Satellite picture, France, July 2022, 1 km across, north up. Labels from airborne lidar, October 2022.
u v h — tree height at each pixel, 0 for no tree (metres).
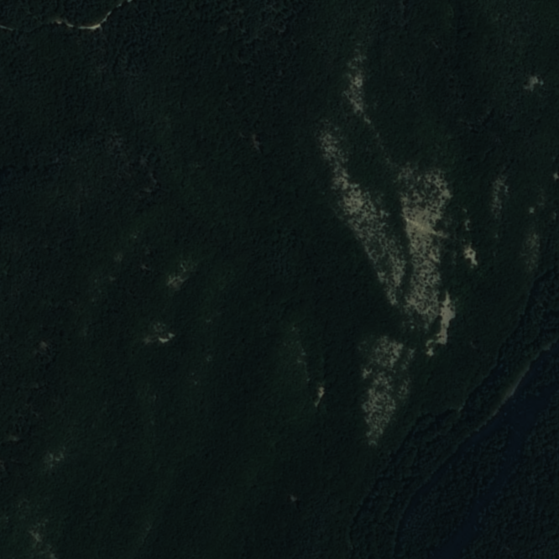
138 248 14
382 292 8
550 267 25
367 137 13
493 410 24
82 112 22
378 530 19
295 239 19
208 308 10
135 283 27
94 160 14
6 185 21
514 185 18
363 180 10
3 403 18
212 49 20
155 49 20
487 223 20
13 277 20
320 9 14
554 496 32
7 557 8
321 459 27
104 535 16
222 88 24
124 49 17
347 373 24
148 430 10
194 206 17
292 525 23
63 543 12
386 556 26
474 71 29
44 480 11
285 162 14
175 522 27
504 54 16
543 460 32
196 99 16
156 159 13
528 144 27
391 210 7
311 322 21
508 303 23
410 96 18
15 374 22
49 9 18
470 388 16
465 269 15
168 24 23
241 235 16
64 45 16
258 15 18
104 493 24
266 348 24
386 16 15
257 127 28
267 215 24
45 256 26
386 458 22
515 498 36
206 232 23
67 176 11
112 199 22
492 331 20
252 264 15
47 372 25
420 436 28
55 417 11
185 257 11
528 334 25
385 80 12
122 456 19
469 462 32
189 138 13
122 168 27
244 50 19
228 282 8
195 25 18
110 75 20
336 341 15
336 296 21
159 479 20
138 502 21
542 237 6
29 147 18
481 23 28
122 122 18
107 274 7
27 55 21
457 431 29
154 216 13
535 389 22
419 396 22
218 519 22
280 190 27
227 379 18
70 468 13
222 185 21
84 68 12
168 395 12
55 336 28
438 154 11
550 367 30
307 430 18
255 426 17
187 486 25
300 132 13
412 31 22
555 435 29
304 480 25
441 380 27
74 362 17
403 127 9
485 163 26
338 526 26
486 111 28
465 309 13
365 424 7
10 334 19
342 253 25
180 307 12
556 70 12
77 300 24
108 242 17
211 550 21
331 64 15
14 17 14
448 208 10
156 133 19
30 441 25
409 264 6
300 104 15
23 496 12
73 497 15
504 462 35
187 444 14
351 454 26
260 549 28
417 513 27
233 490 18
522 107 15
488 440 28
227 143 23
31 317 19
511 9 13
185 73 21
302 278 29
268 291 28
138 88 20
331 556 25
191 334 17
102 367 17
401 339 11
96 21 14
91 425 17
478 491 34
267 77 24
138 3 22
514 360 22
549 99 16
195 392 13
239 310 16
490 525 29
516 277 20
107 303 19
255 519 27
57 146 24
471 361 24
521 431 36
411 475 24
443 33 21
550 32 17
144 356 10
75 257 26
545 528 27
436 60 25
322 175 12
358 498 21
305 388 8
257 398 23
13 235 17
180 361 22
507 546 35
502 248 18
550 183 12
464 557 32
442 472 21
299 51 18
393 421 6
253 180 22
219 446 22
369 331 15
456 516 29
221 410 17
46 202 9
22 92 19
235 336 22
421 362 13
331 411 25
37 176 22
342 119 12
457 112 30
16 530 11
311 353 17
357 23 13
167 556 27
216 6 17
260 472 12
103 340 24
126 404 23
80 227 23
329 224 20
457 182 16
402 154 14
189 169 16
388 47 22
